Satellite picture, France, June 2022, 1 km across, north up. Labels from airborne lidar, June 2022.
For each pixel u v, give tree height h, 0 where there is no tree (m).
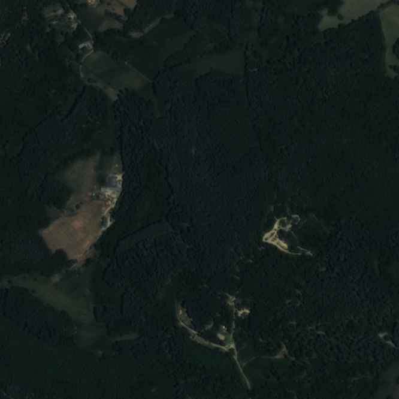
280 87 22
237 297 12
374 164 22
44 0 21
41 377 22
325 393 7
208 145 19
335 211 27
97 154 0
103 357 7
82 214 0
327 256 23
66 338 15
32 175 24
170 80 22
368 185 28
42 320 23
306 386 7
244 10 20
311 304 20
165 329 18
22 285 0
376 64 30
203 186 25
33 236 17
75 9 16
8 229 18
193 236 24
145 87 0
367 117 28
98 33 17
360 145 27
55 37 17
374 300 25
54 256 16
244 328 7
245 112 19
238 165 20
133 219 26
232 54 0
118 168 0
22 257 17
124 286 29
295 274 11
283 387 14
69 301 0
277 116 24
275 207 12
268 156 24
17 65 26
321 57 27
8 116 21
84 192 0
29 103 17
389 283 19
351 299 22
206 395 19
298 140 21
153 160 21
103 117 15
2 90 12
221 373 11
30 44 10
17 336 21
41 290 0
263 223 24
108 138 0
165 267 30
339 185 27
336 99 23
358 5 0
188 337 16
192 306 22
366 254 30
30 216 23
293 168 17
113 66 0
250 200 23
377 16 23
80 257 0
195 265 26
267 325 22
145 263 23
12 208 18
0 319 20
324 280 28
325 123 23
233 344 0
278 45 7
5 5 18
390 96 24
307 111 24
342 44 26
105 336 0
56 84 16
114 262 18
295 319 19
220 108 20
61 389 20
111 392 17
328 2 14
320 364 8
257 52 22
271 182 18
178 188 27
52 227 0
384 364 29
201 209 24
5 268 23
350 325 20
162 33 0
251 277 17
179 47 0
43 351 20
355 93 25
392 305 16
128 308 24
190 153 24
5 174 21
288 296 22
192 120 25
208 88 20
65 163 9
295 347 19
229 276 14
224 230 26
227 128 21
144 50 0
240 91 20
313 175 26
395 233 28
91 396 20
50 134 20
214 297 21
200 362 10
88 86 18
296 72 25
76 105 16
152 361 21
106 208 0
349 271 30
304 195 19
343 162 28
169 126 24
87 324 0
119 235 9
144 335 18
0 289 7
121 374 19
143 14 23
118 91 0
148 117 30
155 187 9
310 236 11
